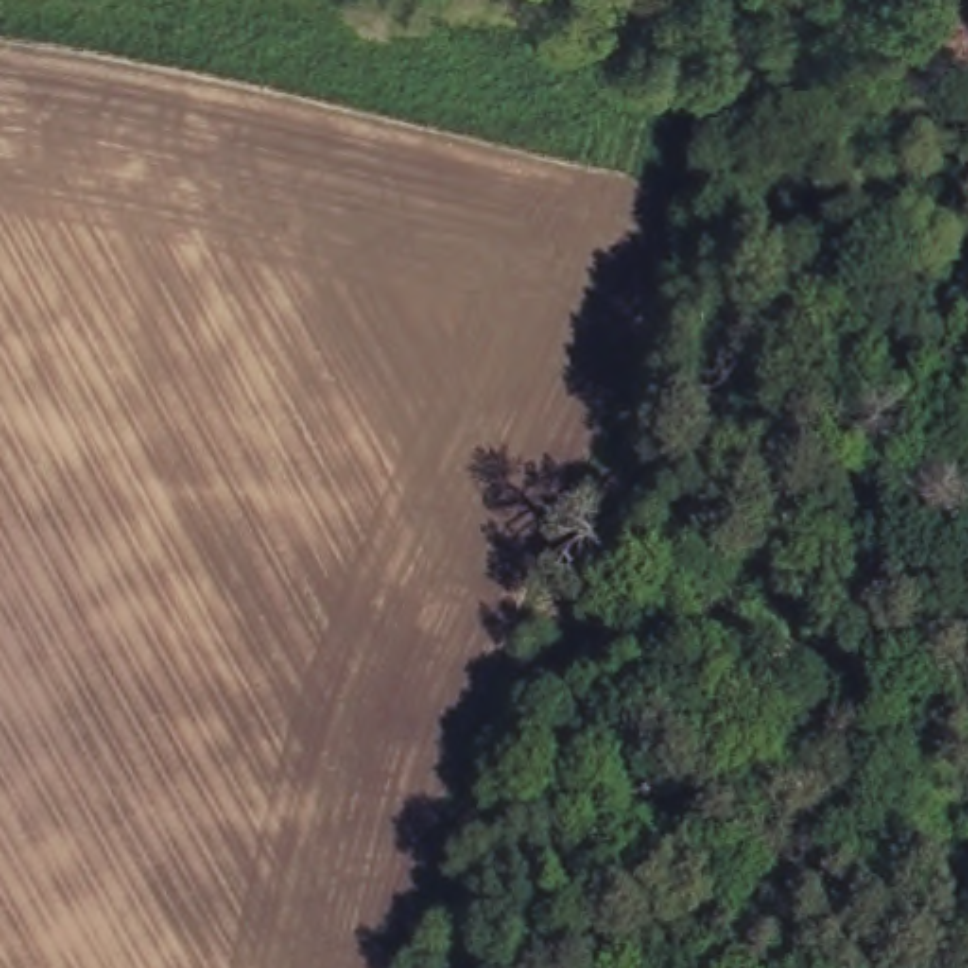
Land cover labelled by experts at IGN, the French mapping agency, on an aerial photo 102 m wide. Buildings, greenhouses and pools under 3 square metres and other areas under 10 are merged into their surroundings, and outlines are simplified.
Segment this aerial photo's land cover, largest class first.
<instances>
[{"label":"agricultural land","instance_id":"1","mask_svg":"<svg viewBox=\"0 0 968 968\"><path fill-rule=\"evenodd\" d=\"M662 110L643 91L616 95L605 83L601 68L586 57V49H560L552 57L545 49L526 45L518 23L510 19H503V26L442 23L416 38L367 42L355 30H348L333 0H0V968H393L397 953L424 926L427 911L439 908L450 919L461 908H473L469 885L446 873L442 862L446 843L473 824V809L480 805V775L469 741L495 722L503 700L514 696V684L507 677V666L518 658V628L529 624V613H548L556 620L548 590L537 582V563L548 510L571 495L560 484L563 465L582 461L594 450L620 473L631 458L635 405L628 367L631 359L650 355V318L643 291L658 284L666 261L669 208L673 200H681L669 185L673 174L654 163V125Z\"/></svg>","mask_w":968,"mask_h":968},{"label":"coniferous trees","instance_id":"2","mask_svg":"<svg viewBox=\"0 0 968 968\"><path fill-rule=\"evenodd\" d=\"M938 4L957 8L960 23L949 45H942L926 64L911 68L908 87L934 91L949 72H968V0H333L348 30H355L367 42L416 38L442 23L503 26V19H510L518 23L526 45L545 49L552 57L560 49H586V57L601 68L605 83L616 95L643 91L662 110L654 125V163L673 174L669 185L681 200H673L669 208L666 261L658 284L643 291L650 318V355L631 359L628 367L635 405L631 458L620 473L594 450L582 461L563 465L560 484L571 495L548 510L537 563V582L548 590L556 620L548 613H529V624L518 628V658L507 666V677L514 684L560 677L579 662L605 658L613 639L605 624H639L647 616V609L635 601L631 575L624 571V556L616 552L620 545L643 537L669 541L684 529L707 537L711 529H718L730 518L734 480L745 458H764L768 480L787 476V454L798 446V424L783 408L760 405L756 363L764 352V329L768 321H779L794 310V299L805 280H832L839 272L843 238L851 234V227L873 223L885 208L896 204L904 189L934 197L949 212H960L968 204V121L934 113L926 106H896L885 129L855 132L847 144H828L813 121L817 98L809 91L877 79L889 68V53L877 49L881 38L892 26H900L915 8ZM957 299L968 303V234L960 242V257L949 265V276L938 280L934 295L938 314H953ZM908 492L930 510H960L968 492V480L957 473V465L934 458H923L904 480ZM851 492H855V507L862 510V514H870V510H877V507H881V492H877V480H873V476H866L862 469H855V473H851ZM718 597L749 620H760L768 609L779 613L790 628V643L813 650L824 662V696L809 703L805 715L794 722L787 752L779 760H752L745 768L726 771H715V756L700 749V726H688L669 711V730L662 745V771L669 775V783H650V790L639 802L677 821L692 813L700 824L760 832L764 847L771 851V870L756 877L734 923L737 942L760 964H775L787 960L802 938L817 960H832L836 968H968V609L915 613L919 590L915 579H908V567H892L881 548H866L855 556V575L847 579V597L862 609L866 631L858 647L847 650L836 635L821 628L817 609L779 590L775 556L756 548ZM896 635H919L926 654L942 666V684L930 696L926 730L919 741L923 756H930L926 779H911L904 813L885 817L881 828L858 832L855 855L839 843L821 847L817 824L832 809L851 805L873 749L889 737V730L870 726L862 711L870 700L866 669L881 658L885 639ZM522 734L514 696L503 700L495 722L469 741L480 775L484 768H495L503 760V752ZM707 855H715V847H688V832L681 824L639 870H620L613 877V892L605 900L616 908L620 926L613 934V949L639 945L643 923L677 919L696 911L703 900H718L707 877Z\"/></svg>","mask_w":968,"mask_h":968},{"label":"deciduous trees","instance_id":"3","mask_svg":"<svg viewBox=\"0 0 968 968\"><path fill-rule=\"evenodd\" d=\"M960 23L957 8L938 4L915 8L900 26H892L881 38L877 49L889 53V68L877 79L809 91L817 98L813 121L828 144H847L855 132L885 129L896 106H926L934 113L968 121V72H949L934 91L908 87L911 68L926 64L942 45H949ZM968 234V204L960 212H949L934 197L904 189L896 204L885 208L873 223L851 227V234L843 238L839 272L832 280H805L794 299V310L779 321H768L764 329V352L756 363L760 405L783 408L798 424V446L787 454V476L768 480L764 458H745L734 480L730 518L718 529H711L707 537L684 529L669 541L643 537L620 545L616 552L624 556V571L631 575L635 601L647 609V616L639 624H605L613 639L605 658L579 662L560 677L514 684V696L522 734L503 752V760L495 768H484L480 775V805L473 809V824L446 843L442 862L446 873L469 885L473 908H461L450 919L439 908L427 911L424 926L397 953L393 968H836L832 960H817L802 938L787 960L775 964H760L737 942L734 923L756 877L771 870V851L764 847L760 832L700 824L692 813L677 821L639 802L650 790V783H669V775L662 771V745L669 730V711L688 726H700V749L715 756V771H726L745 768L752 760H779L787 752L794 722L805 715L809 703L824 696V662L813 650L790 643V628L779 613L768 609L760 620H749L718 597L756 548L775 556L779 590L817 609L821 628L836 635L847 650L858 647L866 631L862 609L847 597V579L855 575V556L866 548H881L892 567H908V579H915L919 590L915 613L968 609V492L960 510H930L908 492L904 480L923 458H934L957 465V473L968 480V303L957 299L953 314H938L934 295L938 280L949 276V265L960 257V242ZM855 469H862L866 476H873V480H877V492H881V507H877V510H870V514H862V510L855 507V492H851V473H855ZM681 824L688 832V847H715V855H707V877L718 900H703L696 911L677 919L643 923L639 945L613 949V934L620 926L616 908L605 900L613 892V877L620 870H639ZM870 700L862 711L870 726L889 730V737L873 749L851 805L832 809L817 824L821 847L839 843L855 855L858 832L881 828L885 817L904 813L911 779H926L930 756H923L919 741L926 730L930 696L942 684V666L926 654L919 635H896L885 639L881 658L866 669Z\"/></svg>","mask_w":968,"mask_h":968}]
</instances>
